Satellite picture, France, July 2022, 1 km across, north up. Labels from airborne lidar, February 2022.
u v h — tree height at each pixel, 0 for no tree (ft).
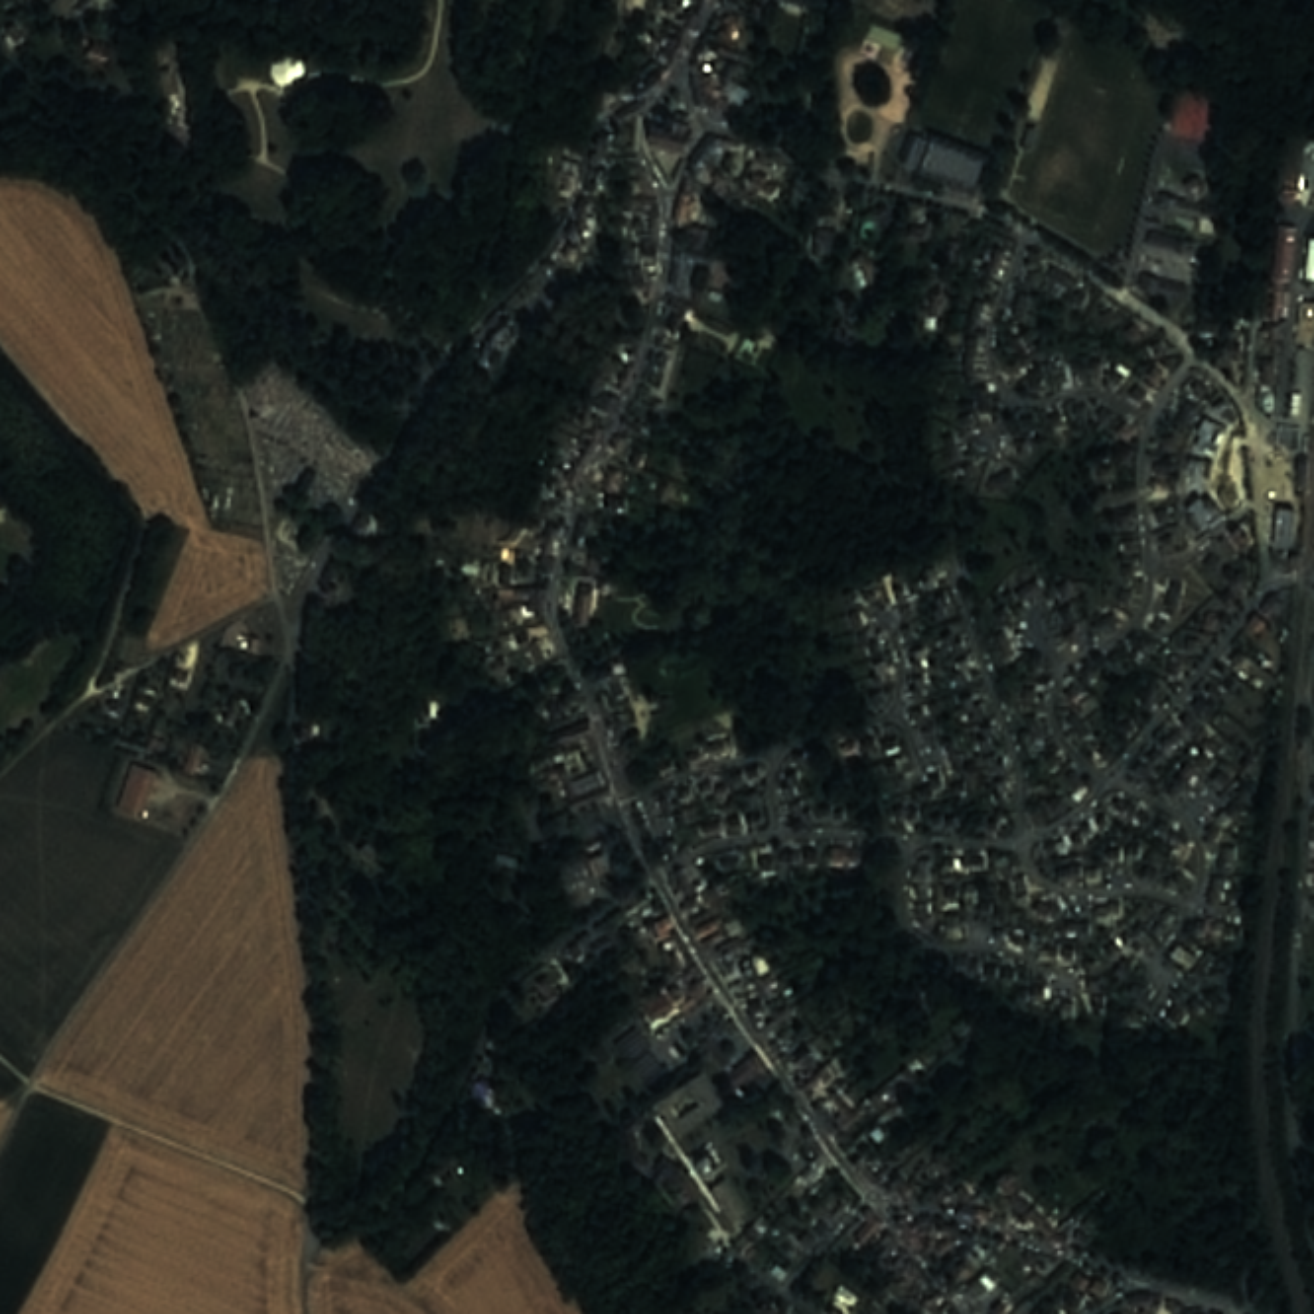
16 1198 0
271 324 65
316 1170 65
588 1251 65
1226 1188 52
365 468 0
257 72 0
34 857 0
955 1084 71
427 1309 0
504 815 60
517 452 45
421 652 78
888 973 68
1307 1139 19
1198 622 19
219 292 58
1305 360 0
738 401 65
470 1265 0
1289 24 106
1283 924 30
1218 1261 44
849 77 0
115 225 61
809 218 49
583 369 65
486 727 87
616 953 22
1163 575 0
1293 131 34
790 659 73
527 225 59
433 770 47
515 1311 0
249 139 71
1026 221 24
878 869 57
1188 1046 42
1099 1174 55
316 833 70
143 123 58
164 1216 0
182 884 0
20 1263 0
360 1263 0
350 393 61
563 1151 71
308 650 59
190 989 0
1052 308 29
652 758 18
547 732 24
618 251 63
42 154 63
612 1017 22
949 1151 19
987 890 52
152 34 89
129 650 0
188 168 73
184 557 0
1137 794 0
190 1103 0
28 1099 0
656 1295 81
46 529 28
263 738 0
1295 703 0
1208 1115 30
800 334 62
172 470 0
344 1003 0
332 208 87
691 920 17
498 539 0
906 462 69
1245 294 58
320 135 62
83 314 0
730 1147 0
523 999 54
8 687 0
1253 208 52
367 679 87
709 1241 0
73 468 24
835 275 18
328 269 71
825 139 96
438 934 59
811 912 22
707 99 0
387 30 93
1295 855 0
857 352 58
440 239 85
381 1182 85
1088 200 0
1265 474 0
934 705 17
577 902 0
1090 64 0
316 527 37
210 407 0
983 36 0
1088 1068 69
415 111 0
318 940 41
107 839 0
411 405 26
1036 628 0
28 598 32
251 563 0
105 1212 0
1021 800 0
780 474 98
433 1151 51
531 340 64
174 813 0
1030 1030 65
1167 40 0
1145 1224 25
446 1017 60
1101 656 31
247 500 0
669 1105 0
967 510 66
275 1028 0
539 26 37
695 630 75
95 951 0
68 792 0
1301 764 0
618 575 53
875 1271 26
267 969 0
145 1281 0
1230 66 81
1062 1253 0
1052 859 39
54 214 0
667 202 0
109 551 24
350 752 62
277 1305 0
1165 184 0
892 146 0
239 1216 0
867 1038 27
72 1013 0
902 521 58
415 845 22
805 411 0
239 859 0
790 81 61
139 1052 0
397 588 77
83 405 0
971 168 0
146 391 0
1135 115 0
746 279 59
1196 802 0
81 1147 0
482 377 57
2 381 24
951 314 22
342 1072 0
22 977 0
